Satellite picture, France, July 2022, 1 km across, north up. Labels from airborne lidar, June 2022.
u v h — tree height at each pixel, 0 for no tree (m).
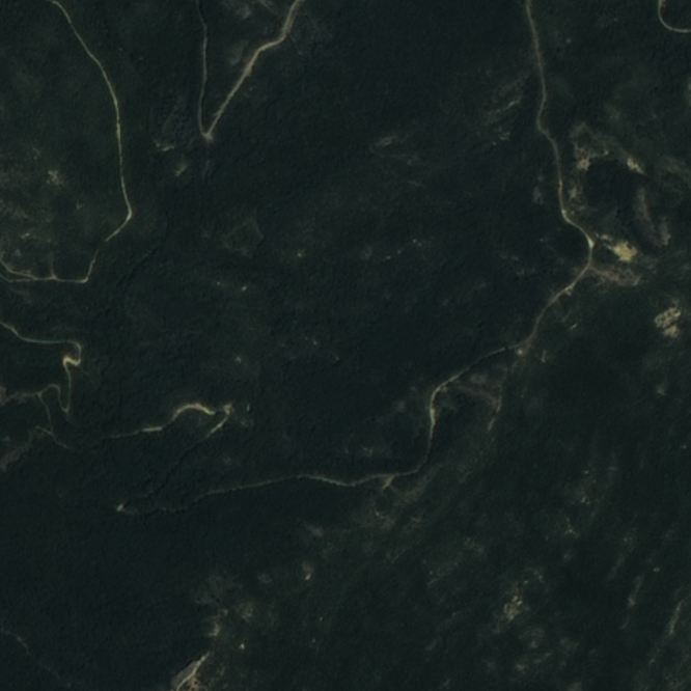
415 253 6
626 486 8
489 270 8
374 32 6
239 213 6
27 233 0
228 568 7
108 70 7
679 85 6
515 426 8
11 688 11
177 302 6
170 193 8
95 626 9
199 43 7
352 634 6
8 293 8
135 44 6
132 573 6
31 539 8
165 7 8
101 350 8
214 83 6
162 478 8
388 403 7
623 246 0
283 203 5
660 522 6
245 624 7
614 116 0
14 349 10
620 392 6
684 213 6
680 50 11
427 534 8
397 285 7
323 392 6
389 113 9
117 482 11
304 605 7
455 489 7
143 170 9
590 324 5
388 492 6
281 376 7
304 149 8
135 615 13
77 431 7
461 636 6
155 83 7
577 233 6
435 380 8
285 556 7
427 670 6
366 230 10
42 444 6
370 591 7
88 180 7
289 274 9
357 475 9
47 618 22
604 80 8
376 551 6
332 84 6
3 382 9
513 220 6
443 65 8
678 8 8
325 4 7
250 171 8
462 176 8
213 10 8
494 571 5
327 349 6
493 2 7
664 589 6
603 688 7
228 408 0
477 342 7
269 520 6
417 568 6
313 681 6
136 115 9
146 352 6
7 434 7
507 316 6
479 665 6
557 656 6
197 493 8
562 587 6
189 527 11
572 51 9
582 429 9
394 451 6
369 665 10
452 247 6
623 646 6
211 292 7
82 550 12
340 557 7
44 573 13
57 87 6
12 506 11
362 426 7
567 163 5
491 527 7
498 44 6
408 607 6
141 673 7
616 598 7
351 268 6
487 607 6
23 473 11
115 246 6
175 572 6
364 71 9
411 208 6
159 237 9
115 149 6
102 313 15
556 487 7
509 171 6
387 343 7
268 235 8
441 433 8
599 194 7
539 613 6
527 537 7
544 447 7
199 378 6
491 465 8
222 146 7
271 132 6
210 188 8
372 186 6
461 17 9
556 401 6
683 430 7
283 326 8
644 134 6
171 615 6
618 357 5
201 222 10
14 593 14
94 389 8
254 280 11
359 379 8
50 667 8
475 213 7
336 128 9
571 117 6
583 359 7
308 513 12
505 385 7
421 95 9
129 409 6
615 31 9
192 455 10
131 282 5
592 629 7
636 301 6
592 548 7
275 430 7
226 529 7
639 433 5
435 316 7
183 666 6
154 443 8
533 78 5
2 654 7
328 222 7
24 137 7
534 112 6
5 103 5
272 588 9
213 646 6
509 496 9
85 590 12
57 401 6
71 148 7
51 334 7
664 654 6
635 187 6
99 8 13
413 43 7
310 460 6
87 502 10
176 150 6
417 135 6
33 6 6
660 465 8
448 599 6
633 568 7
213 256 6
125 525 9
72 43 9
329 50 6
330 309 7
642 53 8
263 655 8
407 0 8
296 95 7
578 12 10
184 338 6
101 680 10
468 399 7
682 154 6
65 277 6
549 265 6
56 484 11
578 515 7
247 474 7
